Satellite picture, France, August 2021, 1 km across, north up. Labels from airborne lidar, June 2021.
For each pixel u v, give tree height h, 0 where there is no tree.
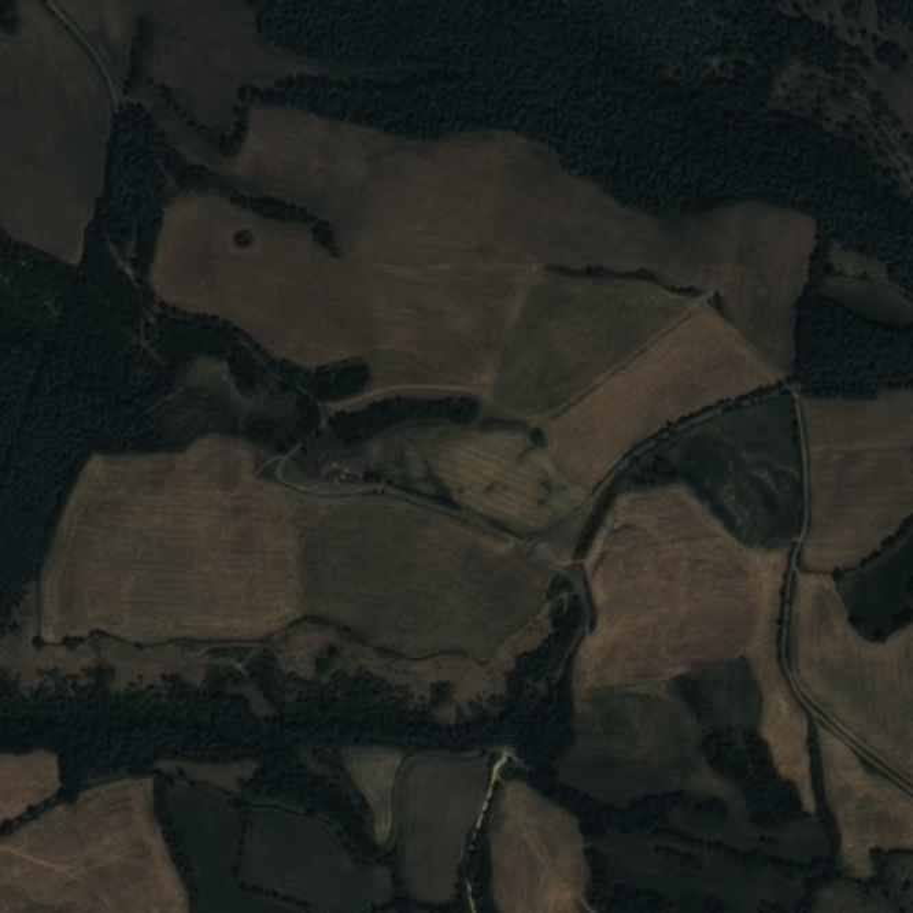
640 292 0
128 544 0
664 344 0
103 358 17
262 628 0
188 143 0
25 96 0
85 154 0
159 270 0
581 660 0
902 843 0
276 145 0
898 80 0
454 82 18
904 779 0
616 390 0
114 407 11
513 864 0
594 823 14
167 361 9
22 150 0
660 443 10
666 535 0
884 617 0
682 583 0
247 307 0
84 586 0
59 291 12
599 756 0
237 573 0
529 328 0
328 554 0
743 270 0
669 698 0
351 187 0
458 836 0
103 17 0
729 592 0
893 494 0
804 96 7
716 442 0
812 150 18
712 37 9
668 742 0
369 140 0
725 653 0
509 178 0
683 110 20
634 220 0
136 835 0
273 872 0
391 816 0
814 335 20
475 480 0
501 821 0
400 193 0
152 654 0
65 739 18
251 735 23
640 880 0
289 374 9
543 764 10
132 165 17
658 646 0
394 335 0
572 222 0
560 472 0
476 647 0
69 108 0
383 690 6
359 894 0
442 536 0
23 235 0
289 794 15
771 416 0
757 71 13
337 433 10
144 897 0
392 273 0
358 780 0
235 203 6
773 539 0
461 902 6
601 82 15
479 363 0
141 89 0
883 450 0
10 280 7
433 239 0
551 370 0
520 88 13
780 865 15
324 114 14
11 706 14
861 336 21
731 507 0
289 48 13
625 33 10
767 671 0
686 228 0
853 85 13
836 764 0
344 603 0
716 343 0
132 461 0
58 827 0
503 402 0
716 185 17
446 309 0
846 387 16
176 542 0
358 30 16
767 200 8
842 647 0
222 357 16
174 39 0
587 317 0
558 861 0
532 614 0
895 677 0
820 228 10
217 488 0
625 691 0
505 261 0
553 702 12
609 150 15
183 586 0
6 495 14
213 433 0
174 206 0
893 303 0
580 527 0
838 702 0
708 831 0
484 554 0
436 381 0
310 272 0
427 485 0
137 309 12
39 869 0
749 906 0
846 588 0
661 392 0
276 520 0
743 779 8
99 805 0
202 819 0
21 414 7
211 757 13
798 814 7
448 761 0
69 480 13
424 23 16
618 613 0
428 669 0
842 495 0
